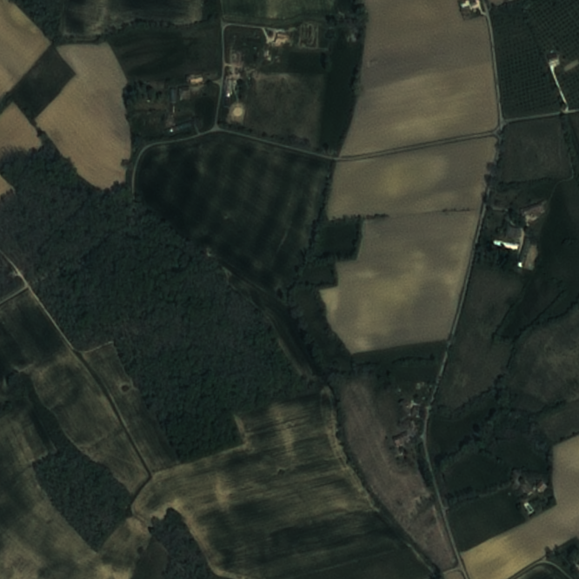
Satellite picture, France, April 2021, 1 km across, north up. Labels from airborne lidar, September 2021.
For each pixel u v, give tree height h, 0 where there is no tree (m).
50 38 16
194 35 0
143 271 26
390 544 0
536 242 10
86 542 7
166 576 14
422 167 0
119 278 26
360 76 17
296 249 0
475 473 0
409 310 0
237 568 0
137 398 0
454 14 0
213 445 20
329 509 0
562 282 7
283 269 0
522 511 6
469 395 0
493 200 11
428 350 0
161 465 0
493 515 0
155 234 24
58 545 0
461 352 0
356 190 0
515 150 0
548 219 0
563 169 0
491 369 0
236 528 0
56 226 22
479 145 0
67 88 0
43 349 0
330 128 0
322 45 0
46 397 0
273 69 0
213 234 0
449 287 0
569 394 0
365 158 0
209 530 0
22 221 18
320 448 0
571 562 15
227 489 0
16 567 0
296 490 0
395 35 0
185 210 0
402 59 0
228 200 0
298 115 0
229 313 21
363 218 9
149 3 0
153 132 0
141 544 0
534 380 0
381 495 0
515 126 0
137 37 0
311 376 0
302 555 0
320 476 0
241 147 0
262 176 0
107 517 19
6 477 0
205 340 19
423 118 0
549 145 0
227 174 0
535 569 0
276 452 0
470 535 0
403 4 0
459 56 0
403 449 9
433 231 0
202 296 22
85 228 22
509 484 8
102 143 0
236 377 24
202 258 20
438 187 0
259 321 20
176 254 25
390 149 0
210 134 0
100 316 20
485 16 0
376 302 0
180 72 0
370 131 0
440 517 0
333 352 0
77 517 14
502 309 0
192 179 0
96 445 0
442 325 0
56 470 16
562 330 0
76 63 0
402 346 0
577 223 0
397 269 0
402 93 0
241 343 20
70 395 0
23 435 0
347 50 0
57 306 18
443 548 0
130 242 24
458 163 0
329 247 0
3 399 0
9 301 0
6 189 0
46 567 0
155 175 0
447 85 0
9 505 0
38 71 0
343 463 0
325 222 16
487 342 0
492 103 0
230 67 0
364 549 0
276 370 28
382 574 0
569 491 0
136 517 0
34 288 12
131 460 0
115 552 0
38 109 0
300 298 0
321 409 0
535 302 0
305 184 0
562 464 0
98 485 19
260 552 0
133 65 0
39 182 22
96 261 24
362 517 0
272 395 26
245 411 19
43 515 0
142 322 12
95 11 0
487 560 0
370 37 0
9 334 0
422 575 0
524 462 0
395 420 0
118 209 22
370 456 0
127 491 14
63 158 10
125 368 7
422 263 0
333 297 0
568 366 0
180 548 12
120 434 0
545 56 7
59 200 12
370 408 0
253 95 0
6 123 0
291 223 0
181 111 0
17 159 24
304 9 0
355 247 9
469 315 0
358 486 0
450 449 0
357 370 11
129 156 0
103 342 15
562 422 0
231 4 0
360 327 0
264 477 0
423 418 10
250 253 0
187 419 26
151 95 15
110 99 0
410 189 0
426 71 0
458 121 0
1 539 0
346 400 0
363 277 0
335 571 0
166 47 0
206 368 17
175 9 0
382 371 0
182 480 0
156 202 0
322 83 0
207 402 23
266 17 0
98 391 0
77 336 16
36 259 18
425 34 0
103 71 0
